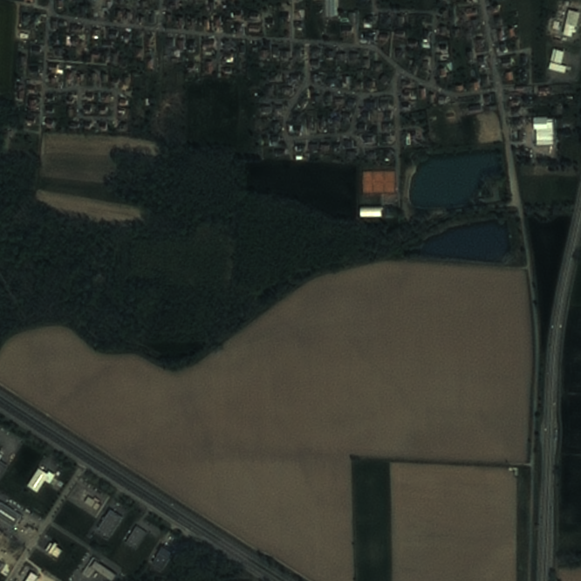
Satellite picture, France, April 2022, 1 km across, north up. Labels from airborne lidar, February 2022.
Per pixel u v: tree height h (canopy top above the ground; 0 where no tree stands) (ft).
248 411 0
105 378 0
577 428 0
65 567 0
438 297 0
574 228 0
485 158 0
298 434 0
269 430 0
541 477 0
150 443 0
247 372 0
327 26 0
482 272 0
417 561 0
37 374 0
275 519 0
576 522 0
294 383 0
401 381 0
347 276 0
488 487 0
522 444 0
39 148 0
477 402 0
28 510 0
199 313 50
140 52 0
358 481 0
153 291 70
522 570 0
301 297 0
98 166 0
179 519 0
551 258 0
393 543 0
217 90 0
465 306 0
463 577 0
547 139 0
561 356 0
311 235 54
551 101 30
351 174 0
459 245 0
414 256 45
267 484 0
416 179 0
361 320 0
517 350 0
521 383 0
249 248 45
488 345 0
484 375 0
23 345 0
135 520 0
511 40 18
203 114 0
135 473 0
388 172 0
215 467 0
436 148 31
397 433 0
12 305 67
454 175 0
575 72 0
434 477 0
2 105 56
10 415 0
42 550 0
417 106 0
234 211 56
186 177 81
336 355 0
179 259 47
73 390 0
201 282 42
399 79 0
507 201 34
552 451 0
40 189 0
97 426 0
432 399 0
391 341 0
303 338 0
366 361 0
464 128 0
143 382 0
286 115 0
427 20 0
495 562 0
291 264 42
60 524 0
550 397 0
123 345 63
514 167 0
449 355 0
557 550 0
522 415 0
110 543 0
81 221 55
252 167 0
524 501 0
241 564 28
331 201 0
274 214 45
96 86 0
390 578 0
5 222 87
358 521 0
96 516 0
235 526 0
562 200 0
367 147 0
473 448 0
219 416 0
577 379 0
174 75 0
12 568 0
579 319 0
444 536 0
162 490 0
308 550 0
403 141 0
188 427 0
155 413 0
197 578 101
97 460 0
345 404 0
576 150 0
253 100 0
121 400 0
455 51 22
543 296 0
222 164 74
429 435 0
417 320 0
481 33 0
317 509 0
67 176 0
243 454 0
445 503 0
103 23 0
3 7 0
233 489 0
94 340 64
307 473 0
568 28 0
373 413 0
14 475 0
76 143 0
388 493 0
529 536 0
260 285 46
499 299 0
